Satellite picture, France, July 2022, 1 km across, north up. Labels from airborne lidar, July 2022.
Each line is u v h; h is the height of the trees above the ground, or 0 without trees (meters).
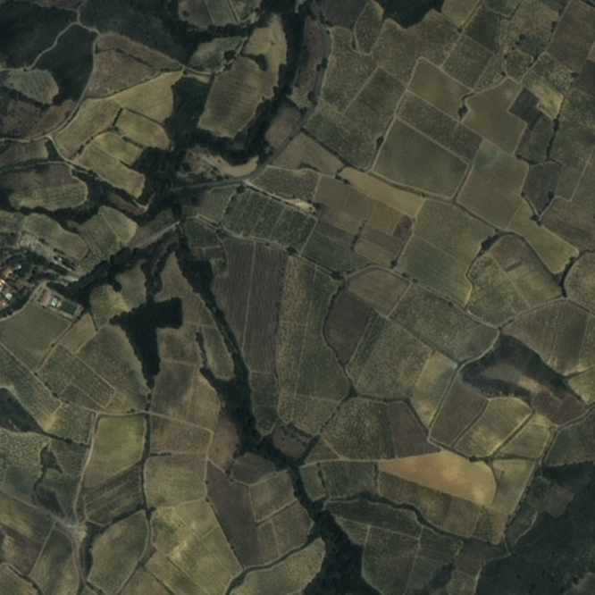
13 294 7
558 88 0
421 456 0
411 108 0
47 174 0
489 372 0
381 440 0
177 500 0
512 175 0
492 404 0
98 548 0
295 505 0
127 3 7
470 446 0
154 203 8
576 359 0
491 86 0
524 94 0
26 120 0
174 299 8
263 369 0
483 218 0
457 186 0
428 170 0
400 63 0
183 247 12
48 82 0
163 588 0
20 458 0
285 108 0
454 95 0
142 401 0
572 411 0
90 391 0
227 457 0
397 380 0
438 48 0
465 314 0
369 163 0
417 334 0
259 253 0
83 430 0
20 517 0
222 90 0
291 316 0
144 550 0
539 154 0
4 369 0
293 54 12
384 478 0
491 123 0
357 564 9
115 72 0
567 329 0
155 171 9
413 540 0
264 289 0
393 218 0
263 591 0
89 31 0
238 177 0
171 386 0
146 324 8
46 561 0
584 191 0
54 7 8
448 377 0
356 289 0
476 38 0
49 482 0
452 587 0
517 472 0
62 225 8
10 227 0
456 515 0
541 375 0
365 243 0
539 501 0
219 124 0
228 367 0
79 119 0
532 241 0
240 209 0
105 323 0
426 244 0
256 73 0
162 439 0
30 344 0
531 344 0
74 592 0
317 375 0
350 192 0
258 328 0
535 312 0
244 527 0
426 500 0
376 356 0
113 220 0
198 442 0
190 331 0
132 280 0
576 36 0
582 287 0
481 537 0
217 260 0
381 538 0
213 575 0
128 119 0
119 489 0
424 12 8
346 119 0
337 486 0
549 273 0
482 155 0
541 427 0
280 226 0
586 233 0
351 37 0
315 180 0
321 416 0
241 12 0
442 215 0
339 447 0
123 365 0
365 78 0
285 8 8
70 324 0
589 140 0
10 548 0
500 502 0
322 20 8
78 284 13
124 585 0
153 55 0
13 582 0
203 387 0
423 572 0
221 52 0
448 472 0
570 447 0
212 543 0
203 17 0
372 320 0
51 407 0
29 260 12
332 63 0
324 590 8
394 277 0
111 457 0
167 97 0
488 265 0
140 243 0
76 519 0
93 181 6
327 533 10
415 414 0
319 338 0
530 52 0
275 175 0
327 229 0
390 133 0
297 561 0
